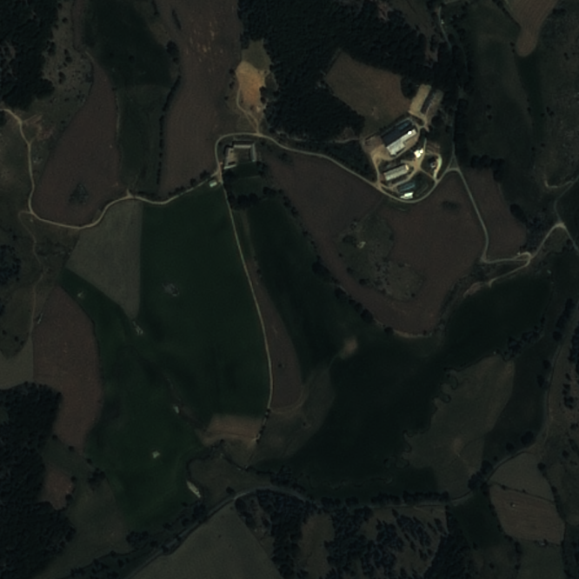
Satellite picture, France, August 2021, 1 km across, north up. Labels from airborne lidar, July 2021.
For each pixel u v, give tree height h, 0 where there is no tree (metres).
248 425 0
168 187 0
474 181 0
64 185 0
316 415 0
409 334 0
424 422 0
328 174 0
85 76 0
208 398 0
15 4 11
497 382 0
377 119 0
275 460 0
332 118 11
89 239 0
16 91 15
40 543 16
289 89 12
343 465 0
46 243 0
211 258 0
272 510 10
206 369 0
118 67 0
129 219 0
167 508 0
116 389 0
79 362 0
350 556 12
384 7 0
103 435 0
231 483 0
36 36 11
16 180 0
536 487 0
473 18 0
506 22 0
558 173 0
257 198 16
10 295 0
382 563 8
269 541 0
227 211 0
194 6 0
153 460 0
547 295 0
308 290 0
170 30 0
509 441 0
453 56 11
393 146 0
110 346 0
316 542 0
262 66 0
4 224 0
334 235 0
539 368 0
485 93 0
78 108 0
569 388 11
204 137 0
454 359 0
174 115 0
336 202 0
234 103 0
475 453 0
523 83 0
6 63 13
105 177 0
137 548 11
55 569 0
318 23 12
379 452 0
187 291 0
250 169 0
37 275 0
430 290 0
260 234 0
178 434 0
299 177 0
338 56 0
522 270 0
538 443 0
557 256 0
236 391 0
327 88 6
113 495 0
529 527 0
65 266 0
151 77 0
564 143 0
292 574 12
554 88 0
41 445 10
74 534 18
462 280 0
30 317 0
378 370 0
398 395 0
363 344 0
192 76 0
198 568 0
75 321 0
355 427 0
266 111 7
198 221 0
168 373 0
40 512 14
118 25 0
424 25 0
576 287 0
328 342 0
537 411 0
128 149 0
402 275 0
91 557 0
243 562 0
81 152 0
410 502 16
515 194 0
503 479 0
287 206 11
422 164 0
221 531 0
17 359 0
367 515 12
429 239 0
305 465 0
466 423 0
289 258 0
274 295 0
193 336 0
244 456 0
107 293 0
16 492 13
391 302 0
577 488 0
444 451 0
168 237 0
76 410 0
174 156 0
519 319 0
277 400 0
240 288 0
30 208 0
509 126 0
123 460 0
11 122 0
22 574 22
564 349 0
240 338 0
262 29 8
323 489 0
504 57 0
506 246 0
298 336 0
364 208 0
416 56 15
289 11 9
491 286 0
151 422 0
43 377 0
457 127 14
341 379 0
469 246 0
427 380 0
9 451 10
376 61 12
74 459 0
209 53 0
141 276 0
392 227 0
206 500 0
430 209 0
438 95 0
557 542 0
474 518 0
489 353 0
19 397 10
